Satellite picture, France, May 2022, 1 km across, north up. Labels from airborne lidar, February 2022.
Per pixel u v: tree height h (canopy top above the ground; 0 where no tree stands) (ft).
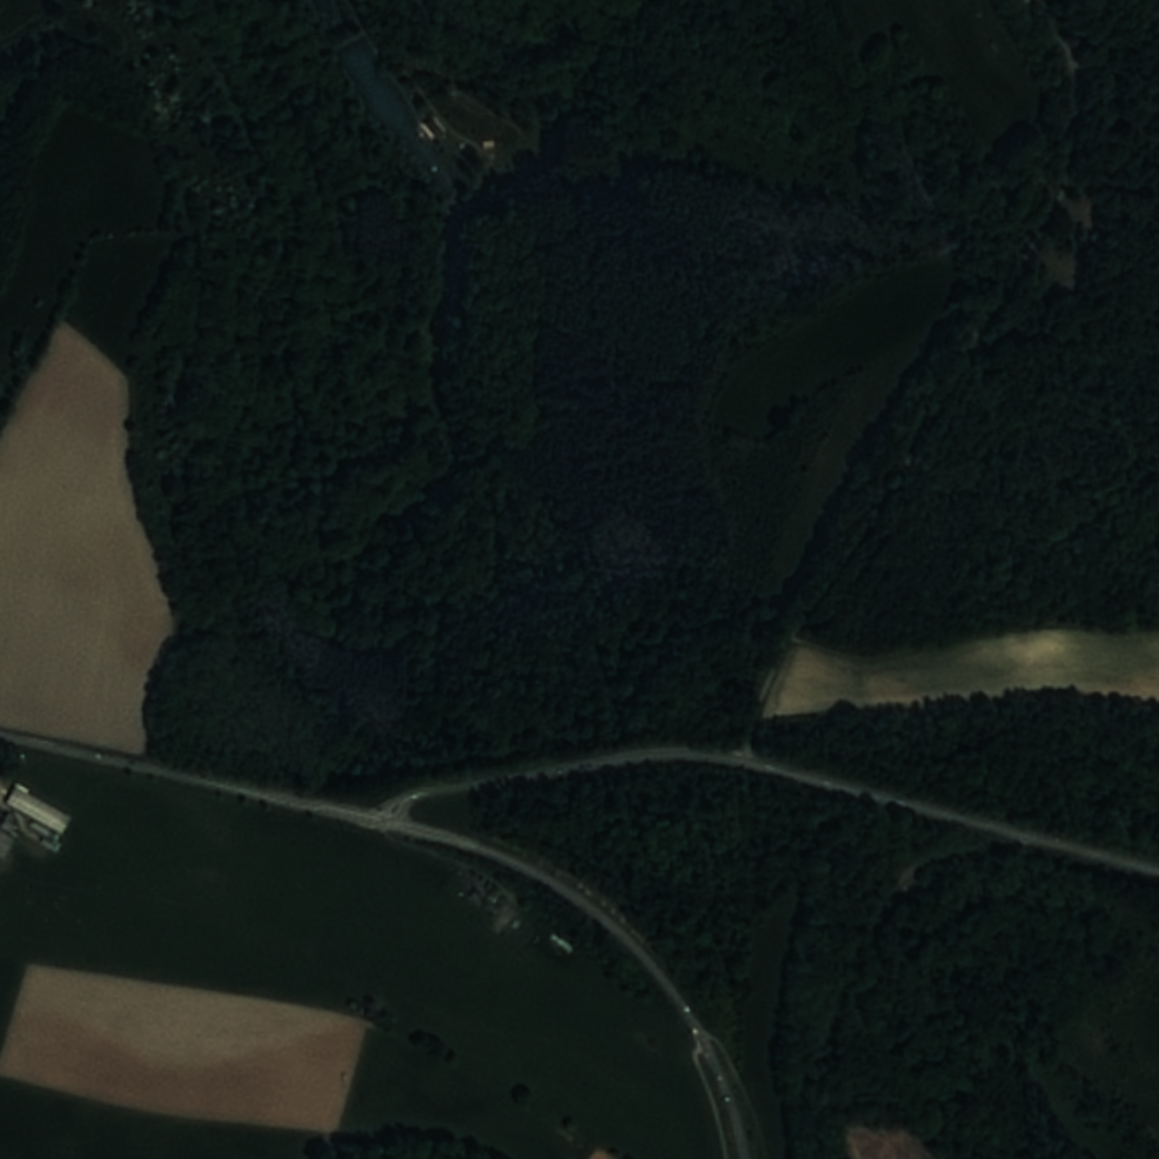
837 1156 84
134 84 28
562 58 96
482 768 77
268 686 80
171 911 0
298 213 94
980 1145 93
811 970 73
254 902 0
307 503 98
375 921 0
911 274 0
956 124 69
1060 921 79
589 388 95
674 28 84
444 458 32
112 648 0
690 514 100
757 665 58
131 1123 0
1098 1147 0
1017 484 85
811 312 77
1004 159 75
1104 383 63
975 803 59
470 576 114
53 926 0
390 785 68
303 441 74
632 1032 0
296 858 0
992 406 53
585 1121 0
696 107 102
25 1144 0
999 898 77
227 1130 0
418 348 88
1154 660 0
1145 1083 0
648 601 98
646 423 122
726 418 0
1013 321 60
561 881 0
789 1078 61
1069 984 84
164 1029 0
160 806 0
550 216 114
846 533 56
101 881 0
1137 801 78
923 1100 112
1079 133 76
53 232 0
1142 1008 0
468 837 0
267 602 97
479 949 0
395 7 90
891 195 93
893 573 77
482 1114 0
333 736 102
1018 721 83
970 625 67
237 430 98
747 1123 0
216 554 69
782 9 72
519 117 73
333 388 91
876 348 0
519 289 108
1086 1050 0
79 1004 0
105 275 0
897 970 95
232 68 103
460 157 0
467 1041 0
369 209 112
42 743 0
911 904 63
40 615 0
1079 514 75
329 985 0
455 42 109
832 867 81
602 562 73
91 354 0
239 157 61
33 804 0
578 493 107
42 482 0
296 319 88
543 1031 0
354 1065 0
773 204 99
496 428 110
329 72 49
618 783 77
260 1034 0
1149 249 67
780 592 0
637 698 76
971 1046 117
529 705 87
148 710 43
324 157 103
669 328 109
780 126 92
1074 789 51
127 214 0
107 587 0
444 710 94
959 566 67
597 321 101
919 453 60
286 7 112
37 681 0
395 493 108
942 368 73
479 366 118
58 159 0
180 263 47
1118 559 77
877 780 70
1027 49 48
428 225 54
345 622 94
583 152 114
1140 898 83
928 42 0
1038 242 61
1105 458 76
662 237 107
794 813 78
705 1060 0
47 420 0
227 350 51
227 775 63
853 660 0
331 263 114
